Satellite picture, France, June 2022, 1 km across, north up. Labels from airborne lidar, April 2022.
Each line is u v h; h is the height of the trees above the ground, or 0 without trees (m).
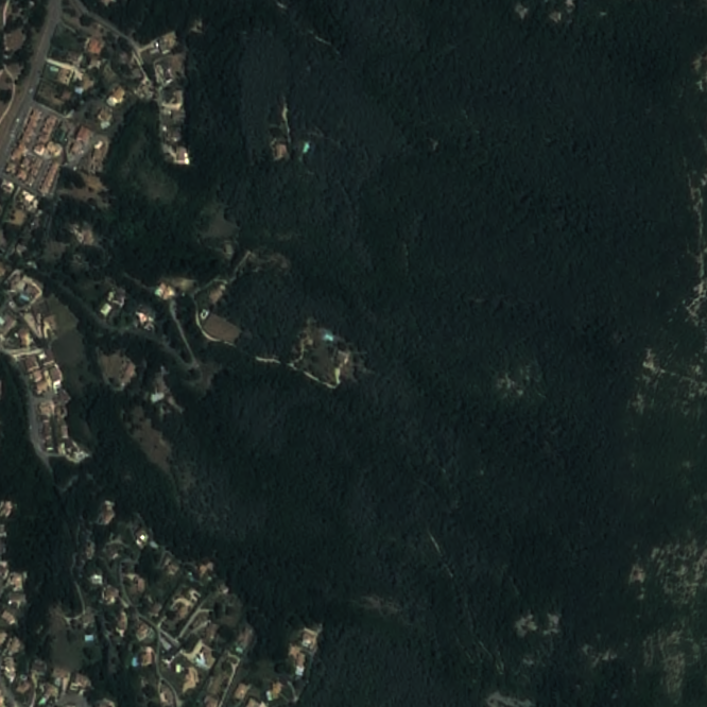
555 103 11
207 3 16
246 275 10
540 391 7
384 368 14
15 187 6
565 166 10
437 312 12
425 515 12
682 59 10
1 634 0
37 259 10
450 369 12
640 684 7
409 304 11
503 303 15
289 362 10
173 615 11
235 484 17
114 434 14
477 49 9
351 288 13
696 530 7
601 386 12
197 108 14
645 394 7
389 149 20
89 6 12
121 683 13
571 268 10
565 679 11
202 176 16
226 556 17
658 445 8
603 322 18
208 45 19
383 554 11
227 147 12
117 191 13
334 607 17
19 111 0
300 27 13
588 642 9
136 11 17
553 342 7
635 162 11
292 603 22
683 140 9
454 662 12
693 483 7
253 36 21
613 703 9
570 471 14
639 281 7
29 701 0
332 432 14
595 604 9
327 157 14
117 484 8
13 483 14
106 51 6
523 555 14
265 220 11
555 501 10
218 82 24
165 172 7
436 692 10
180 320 20
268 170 13
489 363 9
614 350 17
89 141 0
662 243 11
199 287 8
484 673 11
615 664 13
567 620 8
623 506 12
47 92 0
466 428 17
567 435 13
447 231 13
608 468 11
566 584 13
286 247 12
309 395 14
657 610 9
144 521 10
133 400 11
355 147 14
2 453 12
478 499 11
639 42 12
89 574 7
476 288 13
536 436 14
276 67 23
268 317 15
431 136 15
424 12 12
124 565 13
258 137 21
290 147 8
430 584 12
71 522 11
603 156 15
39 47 0
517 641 10
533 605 8
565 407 7
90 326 14
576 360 10
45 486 12
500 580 8
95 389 7
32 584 15
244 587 17
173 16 14
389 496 13
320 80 18
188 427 12
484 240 12
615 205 13
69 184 14
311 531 13
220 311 11
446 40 14
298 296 12
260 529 7
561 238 13
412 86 11
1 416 14
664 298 8
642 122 10
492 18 13
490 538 13
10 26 9
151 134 13
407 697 10
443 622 8
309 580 15
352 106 23
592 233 16
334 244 10
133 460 9
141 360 14
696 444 5
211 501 9
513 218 16
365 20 18
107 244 18
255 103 22
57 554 8
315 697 9
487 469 9
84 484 10
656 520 13
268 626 17
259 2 18
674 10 7
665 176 9
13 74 0
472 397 13
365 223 16
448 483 11
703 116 10
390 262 14
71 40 0
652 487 7
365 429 15
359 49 20
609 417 10
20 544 16
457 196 13
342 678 8
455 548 8
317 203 8
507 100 12
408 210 12
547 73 10
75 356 0
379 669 8
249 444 10
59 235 12
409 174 13
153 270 17
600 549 15
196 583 8
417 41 14
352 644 9
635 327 12
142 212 15
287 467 13
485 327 10
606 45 14
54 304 0
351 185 17
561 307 13
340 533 17
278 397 13
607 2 8
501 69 11
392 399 12
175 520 10
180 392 13
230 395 11
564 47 9
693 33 9
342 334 14
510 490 7
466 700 12
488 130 10
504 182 16
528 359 6
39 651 7
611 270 10
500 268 10
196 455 10
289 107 12
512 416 16
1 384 7
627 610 8
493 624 12
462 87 14
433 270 11
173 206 8
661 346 8
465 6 11
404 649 12
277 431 12
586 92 10
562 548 12
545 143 10
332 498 13
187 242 12
